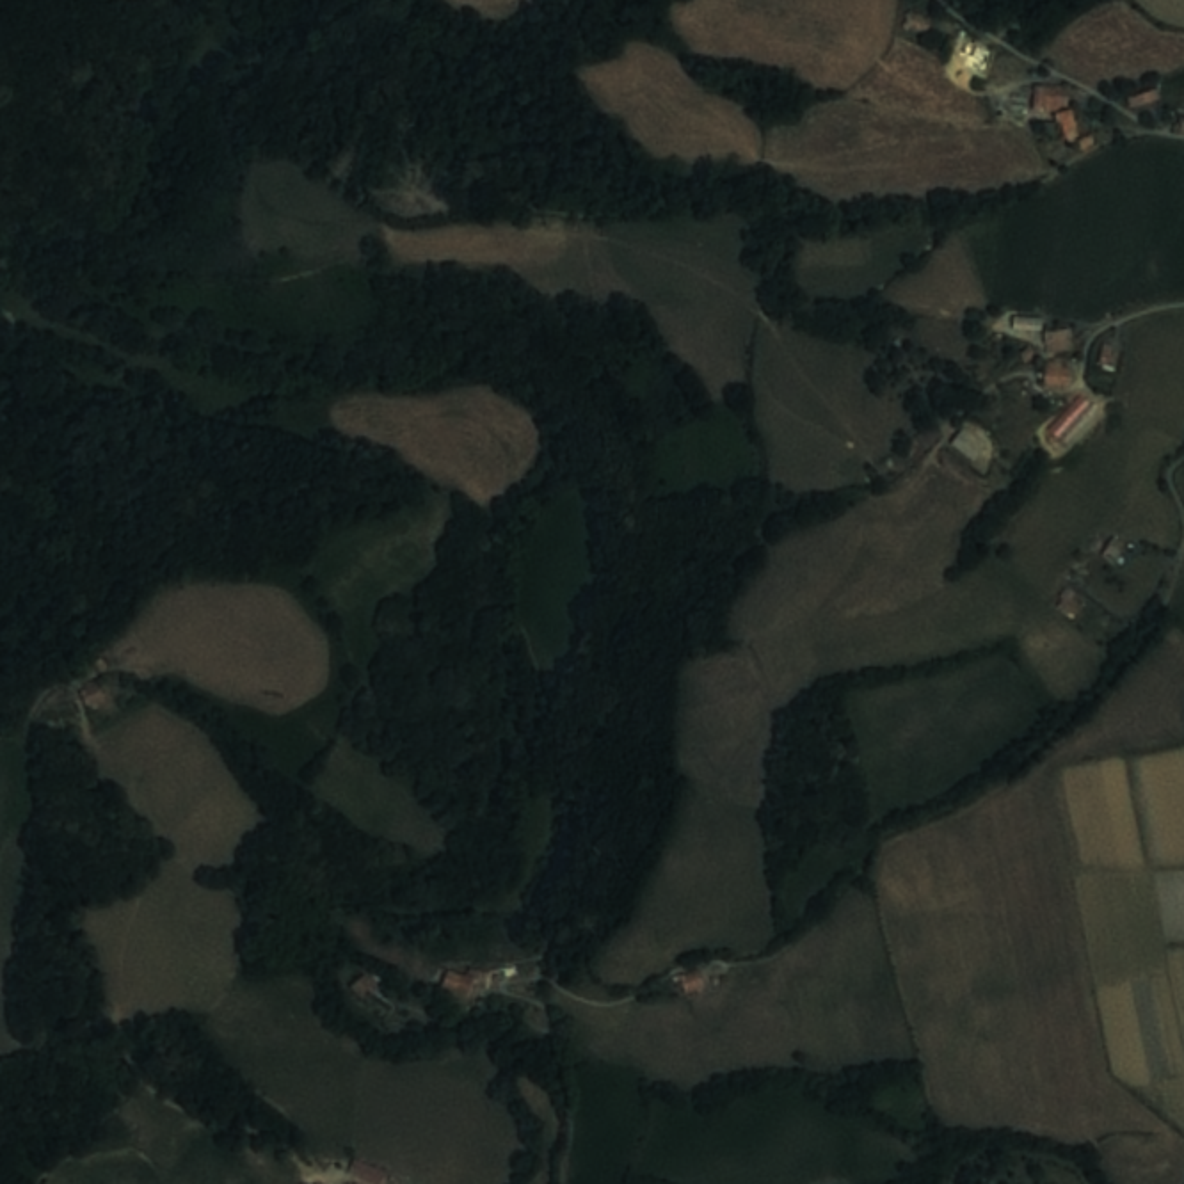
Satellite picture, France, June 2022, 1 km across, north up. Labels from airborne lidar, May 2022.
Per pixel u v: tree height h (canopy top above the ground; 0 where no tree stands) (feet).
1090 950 0
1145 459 0
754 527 57
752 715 0
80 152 66
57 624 78
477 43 63
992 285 0
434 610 68
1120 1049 0
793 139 0
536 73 63
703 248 0
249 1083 83
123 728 0
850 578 0
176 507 68
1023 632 0
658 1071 0
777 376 0
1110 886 0
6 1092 49
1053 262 0
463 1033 68
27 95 61
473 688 73
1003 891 0
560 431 48
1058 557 0
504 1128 0
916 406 60
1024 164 0
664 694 60
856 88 0
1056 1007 0
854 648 0
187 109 51
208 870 47
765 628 0
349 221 0
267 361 70
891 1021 0
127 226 67
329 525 24
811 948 0
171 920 0
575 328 81
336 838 54
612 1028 0
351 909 31
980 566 57
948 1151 34
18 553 45
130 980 0
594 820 85
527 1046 49
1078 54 0
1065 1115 0
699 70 82
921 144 0
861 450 0
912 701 0
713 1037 0
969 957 0
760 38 0
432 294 100
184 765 0
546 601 0
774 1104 0
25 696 61
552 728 57
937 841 0
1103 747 0
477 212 70
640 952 0
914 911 0
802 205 68
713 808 0
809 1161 0
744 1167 0
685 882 0
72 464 66
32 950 92
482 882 77
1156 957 0
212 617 0
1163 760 0
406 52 70
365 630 0
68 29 76
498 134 31
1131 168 0
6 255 58
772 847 32
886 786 0
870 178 0
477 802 81
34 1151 36
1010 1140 37
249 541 65
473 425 0
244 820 0
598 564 36
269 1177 0
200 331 68
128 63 74
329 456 73
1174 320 0
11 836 0
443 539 35
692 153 0
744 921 0
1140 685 0
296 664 0
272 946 107
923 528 0
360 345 35
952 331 0
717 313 0
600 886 74
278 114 57
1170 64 0
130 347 88
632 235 0
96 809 88
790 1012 0
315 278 0
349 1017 68
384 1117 0
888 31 0
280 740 0
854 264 0
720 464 0
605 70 0
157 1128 0
